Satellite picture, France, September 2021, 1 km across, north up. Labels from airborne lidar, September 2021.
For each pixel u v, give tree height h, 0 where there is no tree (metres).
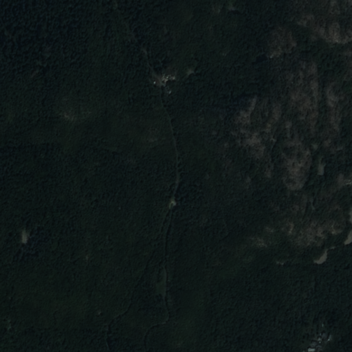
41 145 13
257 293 20
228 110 14
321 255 12
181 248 24
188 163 15
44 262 22
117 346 24
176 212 14
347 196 13
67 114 8
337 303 25
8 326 11
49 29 21
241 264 14
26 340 21
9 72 24
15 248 23
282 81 9
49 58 17
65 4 21
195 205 17
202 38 15
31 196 21
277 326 20
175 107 13
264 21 12
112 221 15
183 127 16
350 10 8
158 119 12
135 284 19
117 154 14
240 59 22
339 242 11
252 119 11
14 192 23
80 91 16
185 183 19
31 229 31
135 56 19
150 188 17
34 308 11
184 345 8
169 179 11
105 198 19
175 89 7
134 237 12
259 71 23
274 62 9
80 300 16
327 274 19
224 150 13
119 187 21
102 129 17
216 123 11
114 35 17
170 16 16
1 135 7
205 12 19
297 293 14
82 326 17
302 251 8
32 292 16
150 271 23
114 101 19
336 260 16
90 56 11
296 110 6
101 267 18
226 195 12
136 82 13
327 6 7
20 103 15
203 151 8
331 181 12
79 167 18
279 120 8
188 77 7
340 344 10
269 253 12
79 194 14
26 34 28
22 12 25
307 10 12
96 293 21
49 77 17
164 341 13
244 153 21
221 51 10
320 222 10
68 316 14
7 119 11
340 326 17
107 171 23
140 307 18
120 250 21
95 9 23
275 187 16
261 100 6
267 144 10
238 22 12
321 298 19
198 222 14
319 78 8
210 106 7
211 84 24
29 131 20
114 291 17
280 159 7
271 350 25
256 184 16
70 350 23
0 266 21
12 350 22
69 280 18
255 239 9
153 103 14
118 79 23
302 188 9
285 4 14
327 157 6
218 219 15
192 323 8
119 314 11
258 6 18
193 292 14
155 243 19
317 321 18
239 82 26
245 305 20
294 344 23
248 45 17
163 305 21
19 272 19
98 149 18
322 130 9
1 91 20
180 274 23
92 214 16
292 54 7
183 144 14
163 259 20
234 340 23
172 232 18
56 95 15
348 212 9
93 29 17
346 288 27
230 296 19
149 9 23
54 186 18
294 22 12
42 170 23
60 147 15
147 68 14
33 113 16
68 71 26
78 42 18
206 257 13
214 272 13
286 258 18
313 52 17
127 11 21
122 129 15
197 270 18
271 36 8
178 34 11
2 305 17
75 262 16
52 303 10
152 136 8
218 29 18
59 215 20
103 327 15
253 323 23
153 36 13
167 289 10
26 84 23
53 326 14
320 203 8
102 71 19
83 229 10
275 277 22
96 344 25
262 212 17
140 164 17
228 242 12
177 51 16
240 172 16
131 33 7
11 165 19
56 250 16
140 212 12
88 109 10
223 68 16
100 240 20
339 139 10
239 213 8
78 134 15
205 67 15
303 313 14
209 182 10
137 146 10
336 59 13
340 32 6
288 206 9
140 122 14
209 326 17
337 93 6
